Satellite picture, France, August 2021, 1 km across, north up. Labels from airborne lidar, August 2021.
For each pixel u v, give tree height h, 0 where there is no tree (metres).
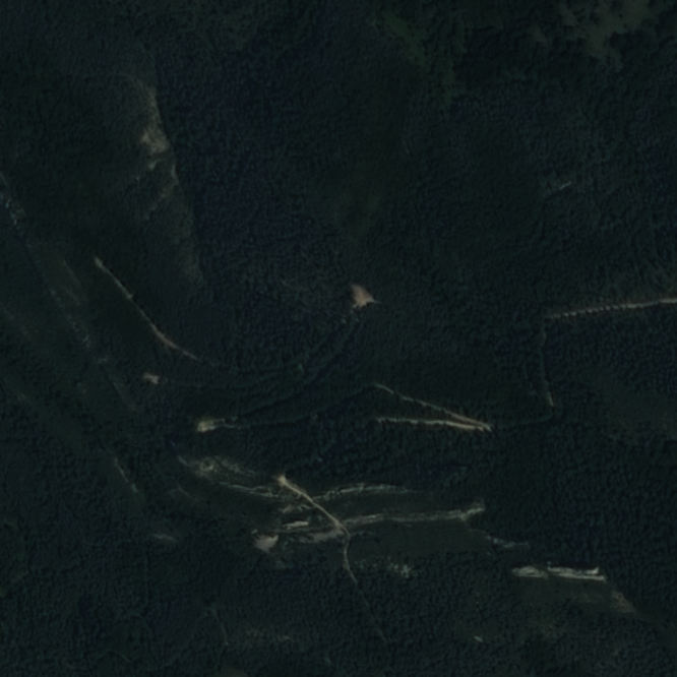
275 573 14
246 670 12
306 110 25
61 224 12
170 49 14
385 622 8
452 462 8
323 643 14
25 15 18
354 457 16
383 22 8
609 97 22
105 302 11
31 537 23
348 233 8
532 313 17
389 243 13
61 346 6
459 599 14
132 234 18
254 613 16
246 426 9
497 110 18
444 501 12
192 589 13
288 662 16
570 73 22
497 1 19
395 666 17
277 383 16
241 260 14
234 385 22
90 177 14
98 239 18
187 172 10
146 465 12
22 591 16
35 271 6
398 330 12
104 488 17
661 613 13
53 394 21
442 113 16
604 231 8
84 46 19
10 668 12
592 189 12
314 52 25
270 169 19
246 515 10
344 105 18
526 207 22
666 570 23
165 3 14
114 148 16
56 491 23
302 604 18
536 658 17
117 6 9
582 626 9
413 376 18
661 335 11
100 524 17
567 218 12
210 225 22
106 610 15
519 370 13
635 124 14
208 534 12
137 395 14
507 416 16
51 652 24
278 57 11
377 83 10
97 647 24
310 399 20
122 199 18
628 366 13
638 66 19
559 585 8
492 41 18
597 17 8
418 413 17
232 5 14
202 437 10
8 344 8
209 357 25
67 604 19
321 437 18
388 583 15
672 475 21
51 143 21
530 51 23
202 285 7
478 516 9
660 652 7
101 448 7
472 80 18
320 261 18
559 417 11
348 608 21
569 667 10
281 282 8
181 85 22
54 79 17
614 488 28
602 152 11
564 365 22
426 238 6
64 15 16
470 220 21
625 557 25
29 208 15
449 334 16
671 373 16
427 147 18
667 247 21
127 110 13
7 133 10
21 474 26
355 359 14
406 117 13
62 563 26
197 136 20
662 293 16
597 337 9
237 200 26
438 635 10
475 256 14
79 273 11
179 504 6
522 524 10
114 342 12
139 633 20
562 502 25
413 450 7
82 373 7
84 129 18
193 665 11
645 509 24
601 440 27
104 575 18
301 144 15
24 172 20
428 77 7
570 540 13
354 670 13
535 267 16
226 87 19
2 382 7
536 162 15
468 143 23
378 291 13
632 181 10
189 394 15
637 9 0
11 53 17
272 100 11
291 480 8
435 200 28
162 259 21
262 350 8
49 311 6
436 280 14
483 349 23
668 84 17
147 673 13
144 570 9
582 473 23
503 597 13
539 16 8
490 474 9
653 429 6
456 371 18
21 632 17
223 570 15
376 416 12
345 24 20
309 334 20
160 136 7
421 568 15
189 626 19
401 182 21
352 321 11
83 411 9
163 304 24
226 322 22
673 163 22
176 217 9
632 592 15
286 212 23
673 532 25
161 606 14
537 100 15
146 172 11
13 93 20
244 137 16
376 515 11
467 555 13
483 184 21
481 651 12
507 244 15
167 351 7
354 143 16
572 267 13
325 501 6
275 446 20
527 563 6
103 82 15
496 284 13
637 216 10
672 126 17
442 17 23
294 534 9
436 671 16
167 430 10
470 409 12
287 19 20
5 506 18
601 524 15
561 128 20
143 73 7
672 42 13
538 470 16
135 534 18
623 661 7
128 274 15
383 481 8
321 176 11
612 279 10
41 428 10
